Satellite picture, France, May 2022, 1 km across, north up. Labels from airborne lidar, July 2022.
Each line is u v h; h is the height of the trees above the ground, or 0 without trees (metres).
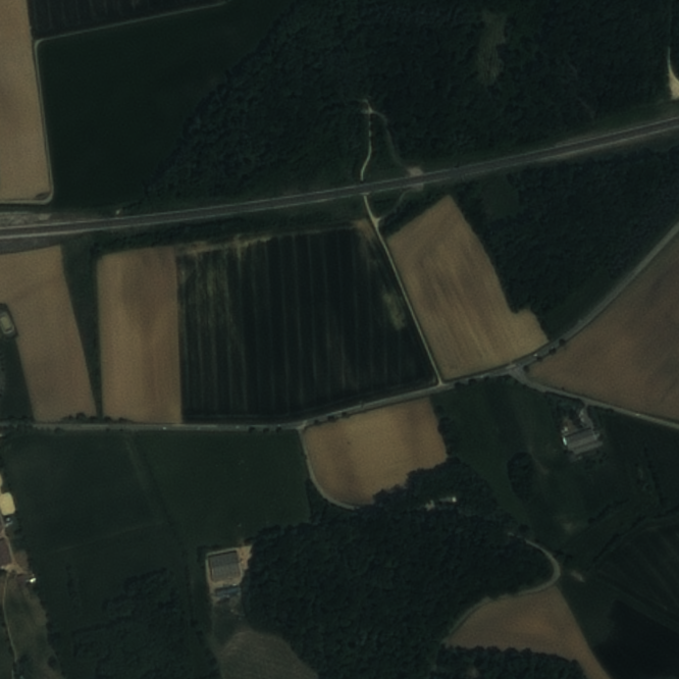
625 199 21
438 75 27
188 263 0
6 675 0
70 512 0
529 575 24
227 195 15
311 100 28
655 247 0
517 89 7
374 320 0
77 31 0
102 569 0
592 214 24
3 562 0
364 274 0
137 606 18
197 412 0
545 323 9
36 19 0
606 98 21
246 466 0
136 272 0
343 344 0
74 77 0
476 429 0
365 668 20
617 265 21
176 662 27
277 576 22
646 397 0
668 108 0
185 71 0
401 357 0
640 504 0
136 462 0
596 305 0
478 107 26
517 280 24
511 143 18
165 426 0
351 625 23
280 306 0
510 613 0
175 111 0
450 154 9
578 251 25
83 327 0
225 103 29
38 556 0
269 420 0
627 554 0
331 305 0
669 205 22
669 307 0
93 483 0
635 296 0
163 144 0
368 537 25
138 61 0
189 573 7
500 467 0
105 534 0
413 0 28
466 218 9
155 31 0
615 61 18
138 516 0
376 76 29
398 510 25
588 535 0
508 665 13
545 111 20
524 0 8
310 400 0
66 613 0
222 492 0
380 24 27
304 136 24
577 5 23
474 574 27
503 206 0
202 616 0
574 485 0
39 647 0
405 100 31
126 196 0
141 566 0
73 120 0
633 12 15
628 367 0
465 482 25
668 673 0
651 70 15
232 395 0
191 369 0
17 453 0
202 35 0
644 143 0
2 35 0
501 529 27
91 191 0
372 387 0
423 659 21
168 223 0
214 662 14
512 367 0
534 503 0
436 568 23
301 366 0
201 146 25
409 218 14
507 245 23
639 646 0
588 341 0
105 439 0
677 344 0
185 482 0
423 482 20
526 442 0
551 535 0
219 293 0
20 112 0
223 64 0
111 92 0
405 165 0
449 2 26
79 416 8
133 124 0
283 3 0
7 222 0
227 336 0
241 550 0
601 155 0
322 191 0
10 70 0
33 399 0
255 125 29
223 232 11
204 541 0
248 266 0
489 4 24
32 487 0
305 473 0
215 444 0
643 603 0
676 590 0
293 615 26
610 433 0
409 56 27
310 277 0
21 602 0
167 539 0
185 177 21
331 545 19
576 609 0
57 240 0
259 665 0
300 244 0
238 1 0
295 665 0
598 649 0
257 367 0
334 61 36
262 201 0
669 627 0
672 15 9
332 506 10
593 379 0
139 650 23
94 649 17
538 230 21
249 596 18
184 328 0
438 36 27
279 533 16
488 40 0
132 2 0
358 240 0
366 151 10
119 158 0
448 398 0
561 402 13
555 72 24
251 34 0
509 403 0
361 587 28
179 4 0
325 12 27
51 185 0
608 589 0
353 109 19
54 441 0
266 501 0
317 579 27
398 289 0
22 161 0
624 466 0
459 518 27
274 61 27
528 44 22
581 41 26
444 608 25
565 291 23
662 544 0
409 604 22
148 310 0
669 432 0
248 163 17
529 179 20
